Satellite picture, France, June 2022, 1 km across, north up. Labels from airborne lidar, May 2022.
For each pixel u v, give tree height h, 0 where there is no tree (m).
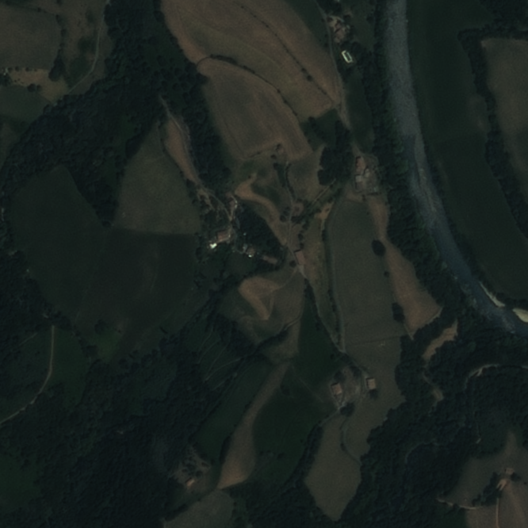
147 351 0
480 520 0
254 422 0
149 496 9
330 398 0
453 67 0
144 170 0
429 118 0
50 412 11
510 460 0
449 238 0
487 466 0
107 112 18
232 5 0
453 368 15
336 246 0
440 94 0
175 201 0
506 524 0
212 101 0
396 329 0
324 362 0
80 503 19
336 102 0
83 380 8
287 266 0
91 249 0
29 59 0
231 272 0
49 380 0
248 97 0
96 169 23
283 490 9
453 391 12
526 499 0
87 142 24
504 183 20
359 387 0
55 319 19
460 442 20
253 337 0
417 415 12
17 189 23
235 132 0
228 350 7
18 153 14
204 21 0
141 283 0
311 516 16
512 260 0
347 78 8
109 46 0
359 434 0
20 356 7
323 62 0
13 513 7
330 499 0
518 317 0
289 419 0
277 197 0
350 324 0
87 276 0
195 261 0
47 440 13
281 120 0
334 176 7
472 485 0
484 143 0
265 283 0
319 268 0
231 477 0
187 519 0
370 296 0
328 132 0
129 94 20
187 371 17
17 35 0
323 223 0
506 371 18
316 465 0
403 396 9
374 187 0
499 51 0
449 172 0
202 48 0
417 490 21
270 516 18
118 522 15
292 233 0
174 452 7
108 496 8
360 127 0
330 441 0
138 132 12
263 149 0
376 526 23
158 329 0
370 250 0
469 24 0
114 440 16
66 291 0
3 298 25
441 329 25
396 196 20
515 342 23
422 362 22
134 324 0
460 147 0
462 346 23
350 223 0
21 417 6
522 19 17
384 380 0
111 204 20
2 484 0
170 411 15
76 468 19
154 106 23
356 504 20
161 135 0
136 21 14
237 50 0
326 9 10
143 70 9
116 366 0
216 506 0
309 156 0
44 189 0
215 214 6
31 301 19
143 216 0
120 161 12
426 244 32
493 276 0
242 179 0
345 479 0
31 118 0
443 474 20
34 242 0
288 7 0
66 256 0
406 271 0
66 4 0
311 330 0
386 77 25
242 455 0
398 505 18
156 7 10
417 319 0
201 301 0
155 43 12
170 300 0
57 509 23
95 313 0
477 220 0
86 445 30
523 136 0
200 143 9
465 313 15
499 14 11
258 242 10
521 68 0
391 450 18
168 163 0
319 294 0
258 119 0
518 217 15
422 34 0
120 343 0
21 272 18
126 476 13
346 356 12
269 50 0
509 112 0
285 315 0
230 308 0
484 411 7
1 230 23
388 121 28
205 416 8
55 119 39
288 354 0
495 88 0
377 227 0
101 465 20
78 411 13
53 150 19
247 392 0
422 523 13
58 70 12
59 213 0
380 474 23
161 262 0
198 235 6
